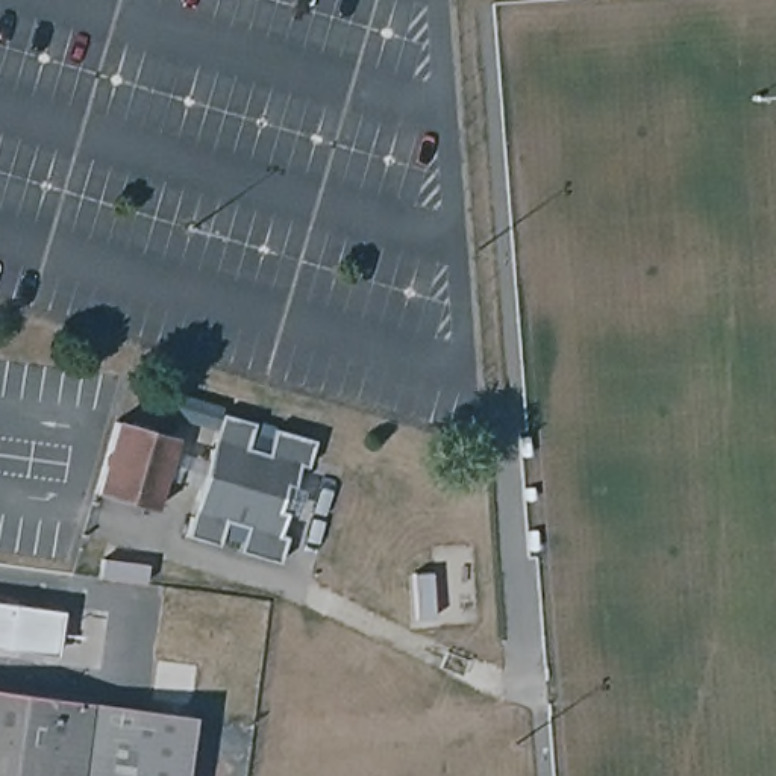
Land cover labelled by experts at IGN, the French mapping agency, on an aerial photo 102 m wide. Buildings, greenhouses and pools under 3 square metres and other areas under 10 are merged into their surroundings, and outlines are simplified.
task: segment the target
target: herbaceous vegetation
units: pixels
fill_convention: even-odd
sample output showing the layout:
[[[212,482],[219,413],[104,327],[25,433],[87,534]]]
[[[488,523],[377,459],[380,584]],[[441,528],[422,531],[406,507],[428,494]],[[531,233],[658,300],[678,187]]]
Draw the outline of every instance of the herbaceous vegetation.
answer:
[[[318,588],[358,603],[361,609],[403,627],[412,637],[440,640],[449,649],[467,646],[473,649],[473,661],[479,664],[503,667],[506,640],[497,637],[494,606],[491,488],[473,482],[470,491],[458,491],[437,473],[430,473],[427,433],[415,427],[382,424],[379,415],[361,415],[315,397],[218,373],[215,364],[227,349],[221,324],[194,321],[188,327],[173,330],[152,352],[155,361],[164,361],[167,367],[176,367],[182,373],[182,397],[221,406],[227,415],[233,415],[258,424],[312,437],[318,440],[318,455],[324,455],[318,473],[336,473],[343,482],[333,534],[312,567]],[[421,564],[433,561],[437,549],[470,549],[473,561],[464,564],[464,579],[473,582],[476,600],[464,600],[464,612],[476,609],[476,618],[458,624],[418,627],[412,621],[409,582],[412,576],[418,576]]]
[[[246,776],[540,776],[540,746],[530,706],[518,700],[500,700],[467,682],[458,682],[443,673],[443,667],[418,661],[412,652],[394,646],[385,637],[373,637],[340,618],[321,615],[312,606],[288,600],[276,591],[215,579],[203,570],[164,561],[158,552],[109,552],[103,549],[103,543],[88,543],[88,552],[82,552],[76,573],[100,573],[100,561],[124,561],[146,564],[152,570],[152,579],[152,585],[158,585],[158,631],[152,643],[152,661],[155,667],[194,667],[194,691],[221,691],[227,715],[255,715]]]
[[[103,361],[97,376],[118,376],[118,385],[124,391],[130,388],[130,373],[139,367],[142,355],[139,346],[124,340],[121,349]]]
[[[21,297],[0,303],[0,361],[12,358],[18,364],[55,364],[52,340],[61,327],[45,318],[24,321],[30,303]]]
[[[521,500],[527,500],[530,534],[524,540],[527,561],[540,576],[540,646],[546,646],[549,664],[555,776],[776,776],[776,0],[449,0],[476,388],[518,388],[521,406],[537,403],[540,409],[540,440],[521,440],[518,455],[527,458],[527,491],[521,491]]]

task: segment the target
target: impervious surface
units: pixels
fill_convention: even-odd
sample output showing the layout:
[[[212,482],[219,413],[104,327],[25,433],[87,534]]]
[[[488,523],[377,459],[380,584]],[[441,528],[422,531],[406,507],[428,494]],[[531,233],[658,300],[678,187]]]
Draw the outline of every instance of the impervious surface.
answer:
[[[412,576],[409,582],[412,621],[418,627],[458,624],[476,618],[476,609],[464,612],[464,600],[476,600],[473,582],[464,579],[464,564],[473,561],[470,549],[437,549],[433,561],[421,564],[418,576],[437,579],[440,612],[433,618],[421,615],[418,576]]]
[[[309,458],[318,455],[318,440],[312,437],[258,424],[258,437],[270,437],[273,449],[279,449],[282,440],[291,440],[306,446]]]
[[[203,570],[215,579],[276,591],[288,600],[312,606],[321,615],[340,618],[373,637],[385,637],[394,646],[412,652],[418,661],[443,667],[443,673],[458,682],[467,682],[500,700],[518,700],[530,706],[540,746],[540,776],[555,776],[549,664],[546,646],[540,646],[540,576],[527,561],[524,540],[530,534],[527,500],[521,500],[521,491],[527,491],[527,458],[518,455],[521,440],[540,440],[540,409],[537,403],[521,406],[518,388],[476,388],[449,0],[0,0],[0,303],[21,297],[30,303],[24,321],[45,318],[61,327],[70,336],[88,343],[88,349],[103,361],[121,349],[124,340],[139,346],[142,355],[152,352],[173,330],[188,327],[194,321],[221,324],[227,349],[215,364],[218,373],[315,397],[361,415],[379,415],[382,424],[415,427],[427,433],[446,427],[458,427],[461,437],[485,433],[485,440],[491,440],[500,455],[497,485],[509,621],[506,640],[503,667],[479,664],[473,661],[473,649],[467,646],[449,649],[440,640],[412,637],[403,627],[361,609],[358,603],[318,588],[312,567],[333,534],[343,482],[336,473],[318,473],[303,473],[303,488],[312,500],[303,503],[300,521],[291,521],[285,497],[279,503],[279,561],[252,555],[249,543],[239,543],[236,552],[227,552],[221,543],[200,540],[197,524],[215,479],[221,440],[233,415],[227,415],[215,421],[215,427],[197,430],[179,412],[152,415],[139,409],[136,394],[130,388],[124,391],[118,385],[118,376],[97,376],[67,379],[55,370],[55,364],[18,364],[12,358],[0,361],[0,603],[67,612],[64,652],[21,655],[15,664],[9,658],[0,658],[0,691],[200,718],[194,776],[246,776],[255,715],[227,715],[221,691],[194,691],[194,667],[155,667],[152,661],[152,643],[158,631],[158,585],[152,585],[152,579],[146,585],[106,582],[100,579],[100,573],[76,573],[82,552],[88,552],[88,543],[103,543],[103,549],[109,552],[158,552],[164,561]],[[97,494],[94,485],[112,424],[139,424],[179,440],[194,433],[200,443],[209,443],[209,458],[191,461],[191,470],[203,476],[200,485],[185,485],[158,512],[142,509],[136,500],[121,500],[109,491]]]

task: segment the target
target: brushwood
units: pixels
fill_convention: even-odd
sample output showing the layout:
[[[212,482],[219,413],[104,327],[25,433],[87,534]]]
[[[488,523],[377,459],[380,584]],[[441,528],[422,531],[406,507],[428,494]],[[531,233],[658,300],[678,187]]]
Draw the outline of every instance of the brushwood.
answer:
[[[509,621],[497,485],[491,488],[494,606],[497,637],[506,640]]]

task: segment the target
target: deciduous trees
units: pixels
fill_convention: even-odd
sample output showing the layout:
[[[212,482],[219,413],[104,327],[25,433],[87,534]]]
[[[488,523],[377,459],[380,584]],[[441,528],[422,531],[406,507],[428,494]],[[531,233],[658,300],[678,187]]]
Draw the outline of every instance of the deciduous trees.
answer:
[[[176,367],[167,367],[164,361],[155,361],[152,352],[142,355],[139,367],[130,373],[130,388],[136,394],[139,409],[152,415],[179,412],[182,397],[182,373]]]
[[[55,370],[67,379],[97,376],[103,361],[88,349],[88,343],[70,336],[61,327],[52,340],[55,364]]]
[[[458,491],[470,491],[473,482],[491,488],[497,485],[500,455],[491,440],[485,440],[485,433],[461,437],[458,427],[446,427],[427,433],[430,473],[437,473]]]

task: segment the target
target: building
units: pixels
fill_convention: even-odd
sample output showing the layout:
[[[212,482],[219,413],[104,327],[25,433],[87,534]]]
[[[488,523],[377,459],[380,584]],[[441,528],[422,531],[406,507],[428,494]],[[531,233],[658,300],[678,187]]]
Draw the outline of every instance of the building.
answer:
[[[437,579],[418,576],[421,615],[433,618],[440,612]]]
[[[227,415],[221,406],[182,397],[179,412],[197,430],[215,427],[215,421]]]
[[[200,718],[0,691],[0,776],[194,776]]]
[[[15,664],[21,655],[64,652],[67,612],[0,603],[0,658],[9,658]]]
[[[146,585],[152,579],[152,570],[146,564],[124,561],[100,561],[100,573],[100,579],[106,582]]]
[[[200,485],[203,476],[191,470],[191,461],[209,458],[209,443],[200,443],[194,433],[179,440],[139,424],[112,424],[94,485],[97,494],[109,491],[121,500],[136,500],[142,509],[158,512],[185,485]]]
[[[221,440],[215,479],[197,524],[200,540],[221,543],[227,552],[236,552],[239,543],[249,543],[252,555],[279,561],[279,503],[285,497],[291,521],[300,521],[303,503],[312,500],[303,488],[303,473],[318,473],[324,455],[318,455],[309,458],[306,446],[291,440],[282,440],[279,449],[273,449],[270,437],[258,437],[258,424],[233,415]]]

